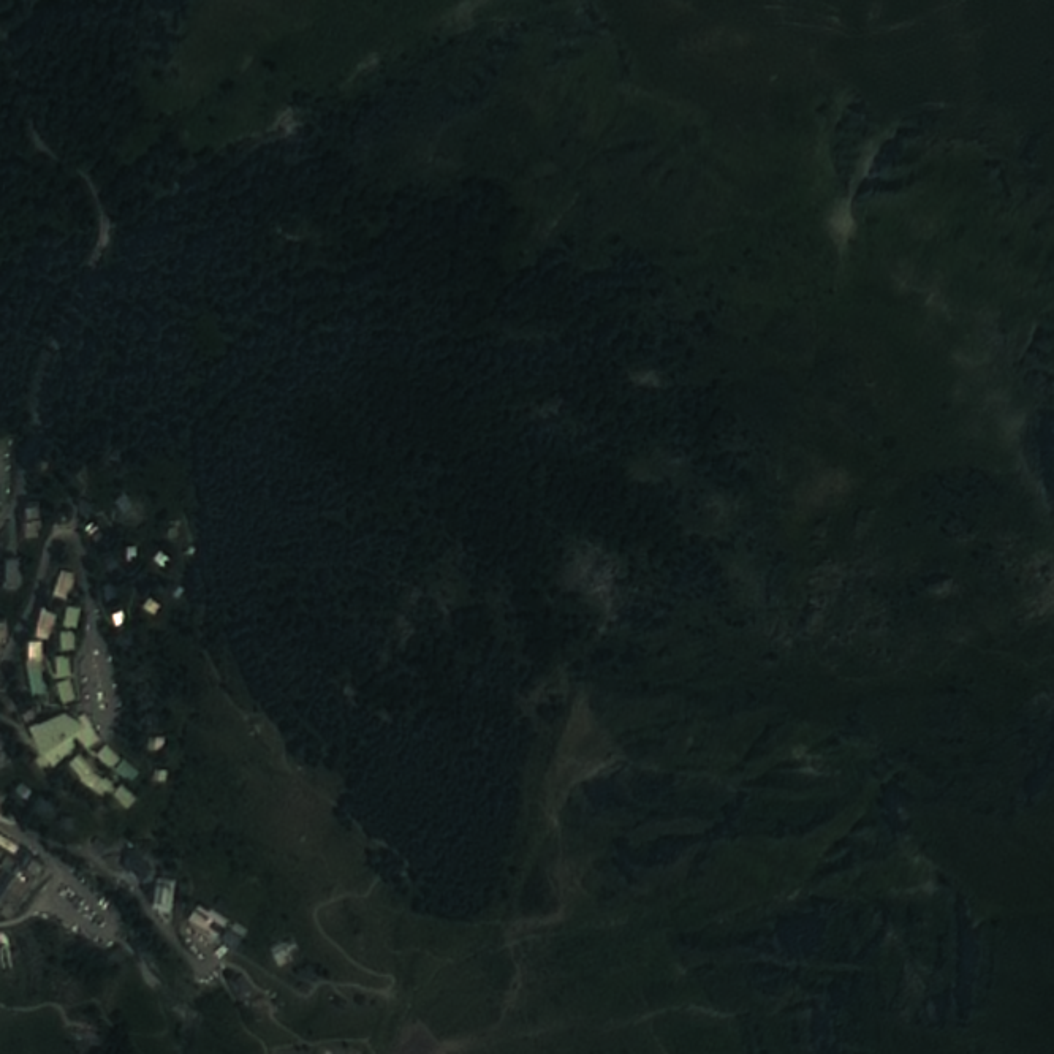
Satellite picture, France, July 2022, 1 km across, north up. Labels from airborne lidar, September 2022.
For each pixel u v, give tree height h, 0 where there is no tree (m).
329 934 0
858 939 0
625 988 0
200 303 23
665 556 7
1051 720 0
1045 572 8
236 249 15
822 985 0
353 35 0
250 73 0
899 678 0
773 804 0
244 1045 0
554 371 20
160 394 14
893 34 0
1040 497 0
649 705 0
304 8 0
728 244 0
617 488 15
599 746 0
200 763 7
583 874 0
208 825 0
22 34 11
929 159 0
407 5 0
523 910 0
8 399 26
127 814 6
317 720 19
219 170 20
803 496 0
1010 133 0
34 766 0
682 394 11
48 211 26
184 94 0
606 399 15
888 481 0
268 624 15
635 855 0
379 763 18
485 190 14
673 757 0
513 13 0
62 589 0
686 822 0
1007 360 0
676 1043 0
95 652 0
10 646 0
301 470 14
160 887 0
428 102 0
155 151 13
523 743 20
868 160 0
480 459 14
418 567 11
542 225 0
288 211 19
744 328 0
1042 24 0
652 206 0
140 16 11
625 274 14
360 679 10
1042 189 0
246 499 22
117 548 13
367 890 0
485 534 16
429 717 20
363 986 0
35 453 21
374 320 20
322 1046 0
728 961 0
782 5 0
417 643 12
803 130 0
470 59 0
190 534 0
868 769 0
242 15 0
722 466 14
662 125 0
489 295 17
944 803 0
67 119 23
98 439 19
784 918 0
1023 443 0
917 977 0
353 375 22
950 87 0
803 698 0
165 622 0
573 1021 0
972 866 0
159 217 14
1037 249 0
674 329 11
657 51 0
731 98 0
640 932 0
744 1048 0
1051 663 0
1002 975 0
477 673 13
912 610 0
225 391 14
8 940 0
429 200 6
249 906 0
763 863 0
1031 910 0
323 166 17
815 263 0
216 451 19
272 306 17
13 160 28
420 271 16
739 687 0
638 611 10
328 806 0
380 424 23
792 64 0
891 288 0
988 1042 0
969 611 0
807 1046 0
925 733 0
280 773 0
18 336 15
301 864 0
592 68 0
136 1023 0
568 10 0
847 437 0
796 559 0
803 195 0
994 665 0
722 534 0
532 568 7
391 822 18
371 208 13
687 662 0
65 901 0
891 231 0
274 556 20
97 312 23
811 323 0
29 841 0
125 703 12
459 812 20
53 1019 0
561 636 10
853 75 0
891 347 0
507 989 0
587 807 0
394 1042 0
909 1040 0
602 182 0
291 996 0
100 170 27
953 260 0
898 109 0
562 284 16
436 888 19
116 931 0
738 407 0
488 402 17
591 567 0
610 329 12
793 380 0
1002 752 0
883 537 0
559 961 0
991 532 0
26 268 24
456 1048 0
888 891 0
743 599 0
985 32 0
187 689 6
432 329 19
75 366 17
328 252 10
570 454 12
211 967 0
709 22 0
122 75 13
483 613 13
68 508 12
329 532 19
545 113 0
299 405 21
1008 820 0
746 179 0
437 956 0
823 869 0
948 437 0
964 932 0
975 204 0
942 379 0
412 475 16
